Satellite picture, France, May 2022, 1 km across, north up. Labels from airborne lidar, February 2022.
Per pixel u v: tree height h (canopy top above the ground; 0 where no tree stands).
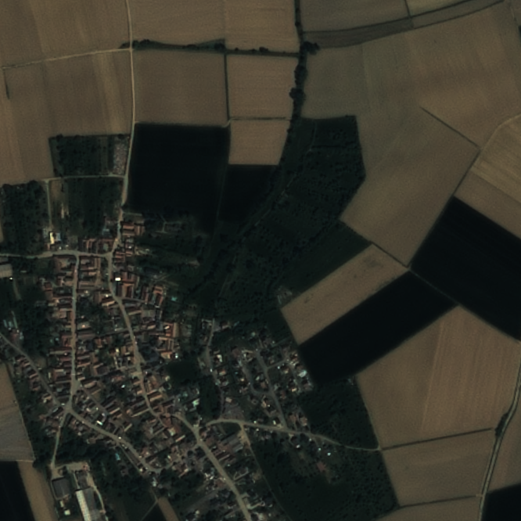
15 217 5
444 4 0
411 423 0
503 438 0
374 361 0
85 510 0
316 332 0
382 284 0
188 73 0
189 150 0
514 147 0
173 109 0
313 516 0
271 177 0
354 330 0
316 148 7
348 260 0
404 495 0
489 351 0
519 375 0
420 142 0
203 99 0
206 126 0
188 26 0
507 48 0
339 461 0
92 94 0
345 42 0
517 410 0
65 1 0
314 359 0
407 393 0
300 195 0
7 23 0
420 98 0
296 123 12
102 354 0
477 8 0
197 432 0
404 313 0
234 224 0
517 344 0
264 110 0
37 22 0
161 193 0
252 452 0
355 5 0
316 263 0
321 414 0
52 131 0
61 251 0
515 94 0
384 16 0
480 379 0
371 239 0
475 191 0
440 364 0
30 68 0
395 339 0
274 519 0
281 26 0
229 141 0
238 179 0
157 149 0
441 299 0
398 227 0
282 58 0
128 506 0
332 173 0
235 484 0
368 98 0
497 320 0
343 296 0
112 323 5
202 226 0
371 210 0
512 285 0
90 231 10
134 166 0
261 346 0
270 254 0
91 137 0
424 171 0
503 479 0
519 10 0
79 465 0
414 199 0
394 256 0
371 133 0
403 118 0
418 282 0
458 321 0
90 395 0
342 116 0
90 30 0
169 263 0
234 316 0
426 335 0
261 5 0
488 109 0
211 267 0
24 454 0
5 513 0
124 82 0
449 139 0
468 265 0
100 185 0
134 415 0
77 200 0
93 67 0
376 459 0
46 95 0
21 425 0
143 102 0
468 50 0
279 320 0
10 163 0
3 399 0
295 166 0
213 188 0
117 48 0
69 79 0
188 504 0
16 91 0
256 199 0
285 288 0
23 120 0
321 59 0
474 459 0
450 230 0
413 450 0
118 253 0
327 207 0
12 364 0
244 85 0
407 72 0
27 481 0
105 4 0
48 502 0
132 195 0
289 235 0
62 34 0
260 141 0
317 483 0
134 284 0
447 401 0
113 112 0
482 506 0
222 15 0
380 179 0
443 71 0
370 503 6
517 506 0
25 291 0
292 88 0
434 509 0
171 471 0
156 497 0
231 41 0
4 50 0
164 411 0
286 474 0
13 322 0
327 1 0
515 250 0
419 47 0
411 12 0
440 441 0
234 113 0
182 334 0
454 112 0
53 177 0
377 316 0
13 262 14
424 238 0
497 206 0
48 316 0
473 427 0
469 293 0
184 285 0
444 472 0
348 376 0
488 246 0
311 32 0
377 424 0
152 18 0
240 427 0
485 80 0
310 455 7
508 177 0
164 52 0
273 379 0
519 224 0
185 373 0
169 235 0
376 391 0
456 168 0
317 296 0
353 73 0
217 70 0
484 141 0
